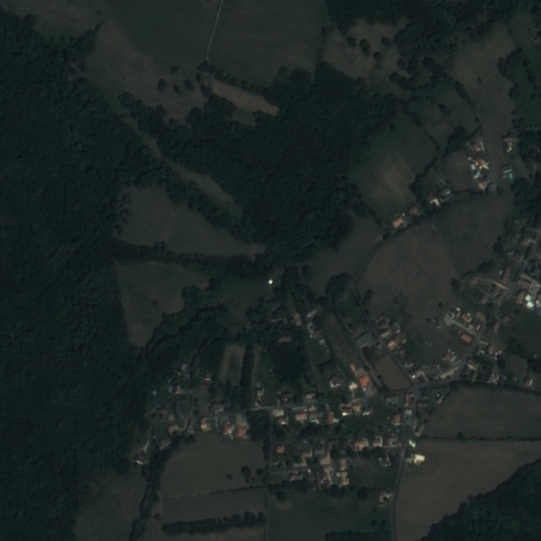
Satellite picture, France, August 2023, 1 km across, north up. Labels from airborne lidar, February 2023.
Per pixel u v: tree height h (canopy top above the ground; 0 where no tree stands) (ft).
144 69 0
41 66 70
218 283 45
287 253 48
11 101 53
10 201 63
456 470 0
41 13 0
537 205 54
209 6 0
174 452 26
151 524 0
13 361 70
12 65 68
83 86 79
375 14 62
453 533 90
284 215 68
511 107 0
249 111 0
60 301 64
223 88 0
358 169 0
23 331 71
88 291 79
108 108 75
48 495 27
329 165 73
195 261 43
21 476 75
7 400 66
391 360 0
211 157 66
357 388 0
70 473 62
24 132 67
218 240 0
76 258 77
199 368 26
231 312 0
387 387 30
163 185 69
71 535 60
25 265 51
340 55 0
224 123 32
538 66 0
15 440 71
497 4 58
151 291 0
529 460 0
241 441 0
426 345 0
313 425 37
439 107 0
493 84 0
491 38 0
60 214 87
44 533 72
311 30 0
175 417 45
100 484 52
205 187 0
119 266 0
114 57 0
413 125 0
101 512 0
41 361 96
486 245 0
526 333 0
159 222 0
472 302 0
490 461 0
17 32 34
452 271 0
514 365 0
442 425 0
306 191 56
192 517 0
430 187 0
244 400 41
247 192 74
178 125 57
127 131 64
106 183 68
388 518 0
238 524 68
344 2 44
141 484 0
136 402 70
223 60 0
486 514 56
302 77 40
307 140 67
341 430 42
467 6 46
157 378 56
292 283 78
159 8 0
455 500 0
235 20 0
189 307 39
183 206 0
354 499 0
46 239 71
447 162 0
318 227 81
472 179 0
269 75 0
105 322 83
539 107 0
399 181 0
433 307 0
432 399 0
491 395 0
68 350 61
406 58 54
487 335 0
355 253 0
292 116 62
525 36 0
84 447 65
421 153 0
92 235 69
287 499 41
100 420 88
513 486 63
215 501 0
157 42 0
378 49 0
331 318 0
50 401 61
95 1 0
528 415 0
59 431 61
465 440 37
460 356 0
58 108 69
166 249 50
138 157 70
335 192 53
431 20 63
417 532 0
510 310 0
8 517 77
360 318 0
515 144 0
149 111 55
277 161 69
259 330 51
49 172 78
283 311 44
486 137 0
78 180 67
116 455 71
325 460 0
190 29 0
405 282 0
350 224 48
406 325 0
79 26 0
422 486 0
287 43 0
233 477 29
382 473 0
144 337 0
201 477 0
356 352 0
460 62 0
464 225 0
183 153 25
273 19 0
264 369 0
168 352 51
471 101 33
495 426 0
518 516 73
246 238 49
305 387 0
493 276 0
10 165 83
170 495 0
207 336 27
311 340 0
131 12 0
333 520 0
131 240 0
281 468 28
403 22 0
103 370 70
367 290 0
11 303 70
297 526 0
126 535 0
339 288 71
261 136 62
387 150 0
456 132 0
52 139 62
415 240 0
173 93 0
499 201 0
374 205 0
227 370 0
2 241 83
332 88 31
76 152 50
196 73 0
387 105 69
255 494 0
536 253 0
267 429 37
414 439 0
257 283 0
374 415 0
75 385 51
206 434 0
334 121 54
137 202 0
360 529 0
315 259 0
